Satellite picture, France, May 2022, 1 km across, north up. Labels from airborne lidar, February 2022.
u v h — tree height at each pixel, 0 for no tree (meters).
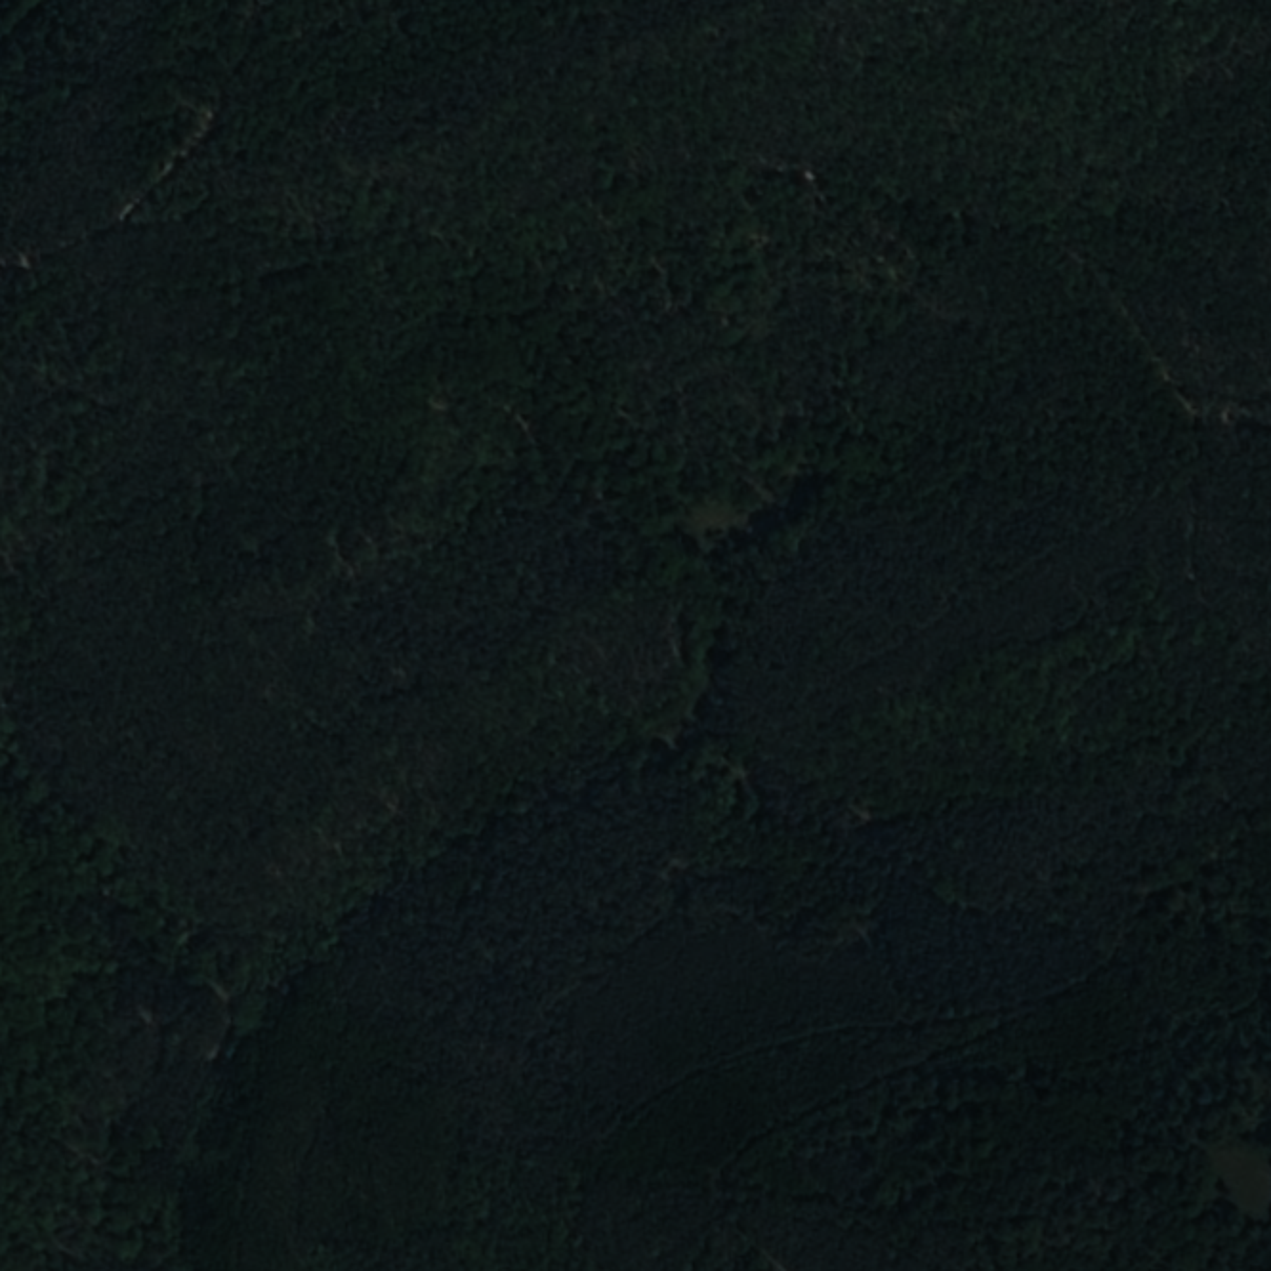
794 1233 18
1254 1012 7
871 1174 16
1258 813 23
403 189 23
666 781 30
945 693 18
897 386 25
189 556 20
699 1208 19
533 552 21
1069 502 24
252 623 26
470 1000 24
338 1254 20
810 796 31
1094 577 21
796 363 17
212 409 24
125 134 22
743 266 27
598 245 24
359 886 24
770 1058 16
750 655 27
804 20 20
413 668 26
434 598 27
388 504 25
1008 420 22
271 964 16
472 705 21
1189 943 14
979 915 19
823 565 25
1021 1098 14
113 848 27
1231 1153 0
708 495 33
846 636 23
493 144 23
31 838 26
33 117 22
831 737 19
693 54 23
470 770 27
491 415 23
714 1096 18
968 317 24
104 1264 25
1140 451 23
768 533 30
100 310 17
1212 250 20
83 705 21
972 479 27
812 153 22
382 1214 0
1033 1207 12
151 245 17
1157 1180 21
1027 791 28
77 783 25
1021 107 22
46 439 21
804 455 34
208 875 25
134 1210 31
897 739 21
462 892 22
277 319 21
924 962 19
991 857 22
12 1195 27
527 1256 24
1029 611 21
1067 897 26
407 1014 22
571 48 20
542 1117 26
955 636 17
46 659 27
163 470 26
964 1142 13
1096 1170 18
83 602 26
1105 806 22
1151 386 24
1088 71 21
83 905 20
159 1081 24
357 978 23
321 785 27
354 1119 0
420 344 24
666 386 26
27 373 20
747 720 21
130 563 26
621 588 25
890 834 29
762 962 16
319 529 16
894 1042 20
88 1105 27
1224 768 22
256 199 19
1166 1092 11
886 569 25
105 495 25
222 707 22
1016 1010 22
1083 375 22
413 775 21
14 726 35
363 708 25
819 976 16
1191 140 24
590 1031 14
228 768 25
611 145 23
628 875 27
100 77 20
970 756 25
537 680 25
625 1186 21
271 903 30
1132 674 20
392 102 20
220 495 22
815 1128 12
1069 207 25
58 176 24
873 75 22
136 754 25
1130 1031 16
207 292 18
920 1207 16
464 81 23
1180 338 22
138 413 21
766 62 20
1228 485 23
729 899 21
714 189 22
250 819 23
